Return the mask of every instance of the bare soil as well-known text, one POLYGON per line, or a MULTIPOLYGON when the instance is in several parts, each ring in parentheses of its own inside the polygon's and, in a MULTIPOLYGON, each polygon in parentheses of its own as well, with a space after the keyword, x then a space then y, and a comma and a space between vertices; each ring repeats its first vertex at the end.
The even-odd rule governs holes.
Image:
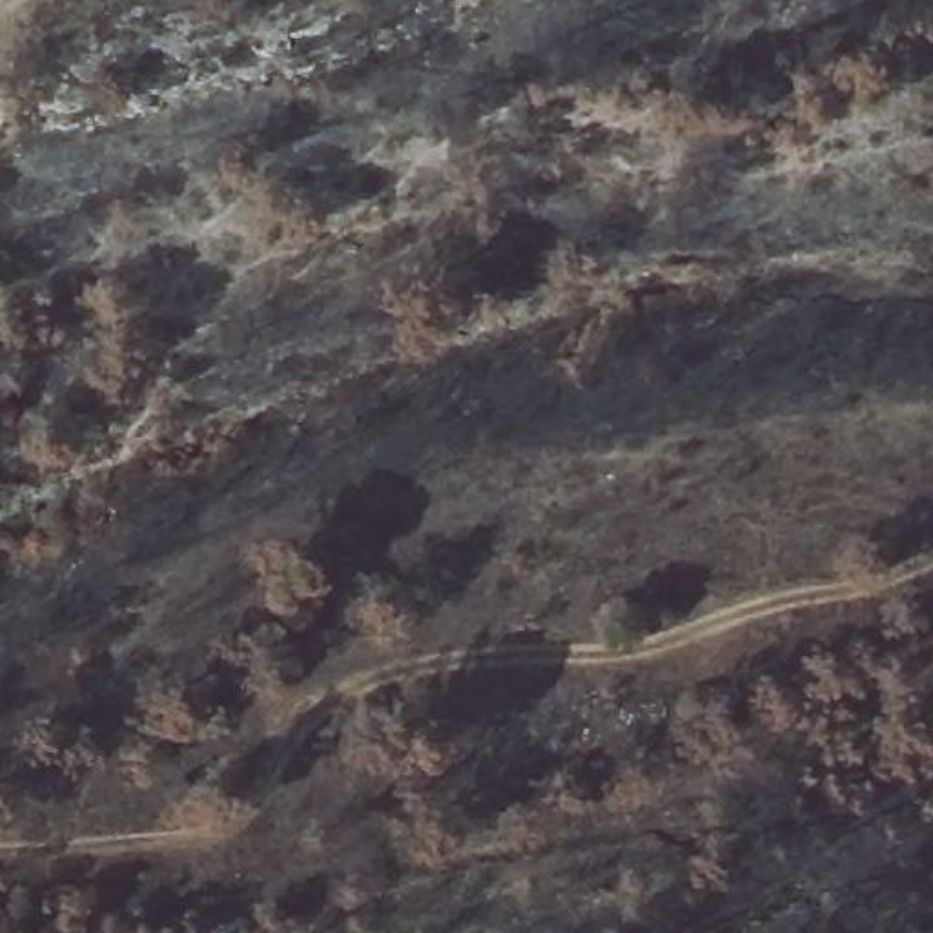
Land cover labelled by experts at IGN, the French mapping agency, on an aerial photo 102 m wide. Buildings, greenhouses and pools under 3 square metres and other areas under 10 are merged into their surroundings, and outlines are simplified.
POLYGON ((528 802, 547 795, 547 780, 554 776, 554 751, 605 751, 609 743, 645 729, 649 711, 667 696, 667 685, 649 678, 638 663, 569 667, 569 649, 579 641, 609 641, 634 649, 645 634, 674 627, 707 609, 722 609, 747 594, 765 594, 795 583, 824 583, 846 569, 882 572, 915 554, 933 554, 933 0, 0 0, 0 288, 7 295, 7 321, 15 332, 22 332, 26 350, 26 375, 18 390, 0 394, 0 485, 40 485, 36 467, 22 459, 22 437, 29 437, 33 430, 44 430, 51 445, 66 445, 80 456, 69 470, 73 488, 58 499, 58 518, 66 525, 62 554, 51 561, 7 561, 7 554, 0 554, 0 714, 7 714, 11 700, 26 682, 40 682, 55 696, 98 685, 109 671, 120 671, 124 663, 146 652, 149 638, 160 631, 171 609, 230 609, 230 565, 241 528, 259 514, 284 510, 302 510, 313 525, 313 539, 324 550, 332 550, 335 543, 357 543, 372 554, 394 558, 401 572, 401 601, 394 605, 394 612, 405 616, 405 627, 415 638, 419 652, 467 652, 456 674, 430 674, 419 685, 379 685, 375 692, 368 692, 368 707, 390 711, 390 703, 405 703, 401 729, 412 740, 426 740, 426 747, 437 751, 437 773, 419 791, 426 805, 441 813, 437 827, 456 838, 445 846, 437 860, 412 864, 394 853, 394 842, 383 831, 386 813, 379 813, 379 787, 386 780, 379 780, 372 791, 339 787, 332 762, 335 754, 321 740, 321 725, 328 725, 339 707, 335 696, 324 696, 313 682, 299 689, 281 685, 277 692, 255 700, 262 707, 270 740, 251 743, 248 754, 230 769, 233 787, 222 809, 179 813, 175 805, 168 805, 168 798, 153 798, 146 787, 120 787, 109 780, 84 776, 26 780, 18 809, 0 798, 0 856, 18 856, 22 864, 33 864, 40 875, 51 875, 55 864, 69 856, 135 856, 179 849, 190 864, 190 875, 200 886, 262 886, 255 911, 248 918, 222 922, 215 933, 904 933, 904 897, 875 875, 827 871, 809 864, 776 871, 736 893, 696 889, 689 882, 689 871, 700 846, 692 838, 678 838, 674 831, 667 831, 667 816, 645 805, 609 809, 605 798, 583 802, 583 827, 572 827, 558 838, 525 849, 510 849, 488 838, 499 813, 507 813, 510 805, 525 809, 528 802), (415 335, 401 328, 383 306, 383 277, 397 270, 401 255, 423 248, 445 266, 445 295, 448 302, 456 302, 463 317, 456 324, 415 335), (106 397, 91 390, 66 361, 84 339, 98 335, 98 317, 91 306, 84 306, 84 292, 95 284, 113 288, 117 317, 124 321, 124 383, 113 405, 106 405, 106 397))

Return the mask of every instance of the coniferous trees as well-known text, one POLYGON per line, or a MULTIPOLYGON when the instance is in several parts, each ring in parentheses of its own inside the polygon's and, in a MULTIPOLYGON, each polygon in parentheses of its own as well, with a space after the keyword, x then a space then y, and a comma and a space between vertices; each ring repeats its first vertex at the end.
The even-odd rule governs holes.
POLYGON ((776 871, 809 864, 827 871, 875 875, 904 897, 904 933, 933 933, 933 572, 907 587, 882 590, 875 598, 754 620, 718 638, 696 641, 682 652, 638 663, 649 678, 667 685, 667 696, 649 711, 645 729, 609 743, 605 751, 554 751, 554 776, 547 780, 547 795, 528 802, 525 809, 510 805, 507 813, 499 813, 488 838, 510 849, 525 849, 558 838, 572 827, 583 827, 583 802, 605 798, 609 809, 645 805, 667 816, 667 831, 674 831, 678 838, 692 838, 700 846, 689 871, 689 882, 696 889, 736 893, 776 871))
POLYGON ((33 864, 22 864, 18 856, 0 856, 0 933, 215 933, 222 922, 248 918, 255 911, 262 886, 200 886, 190 875, 190 864, 179 849, 135 856, 69 856, 55 864, 51 875, 40 875, 33 864))
POLYGON ((368 707, 368 692, 375 692, 379 685, 419 685, 430 674, 456 674, 467 652, 419 652, 415 638, 405 627, 405 616, 394 612, 394 605, 401 601, 401 572, 394 558, 372 554, 357 543, 335 543, 332 550, 324 550, 313 539, 313 525, 302 510, 284 510, 259 514, 241 528, 230 565, 230 609, 171 609, 160 631, 149 638, 146 652, 124 663, 120 671, 109 671, 98 685, 55 696, 40 682, 26 682, 11 700, 7 714, 0 714, 0 798, 18 809, 26 780, 84 776, 109 780, 120 787, 146 787, 153 798, 168 798, 168 805, 175 805, 179 813, 222 809, 233 787, 230 769, 248 754, 251 743, 270 740, 262 707, 255 700, 277 692, 281 685, 299 689, 313 682, 324 696, 335 696, 339 707, 328 725, 321 725, 321 740, 335 754, 332 762, 339 787, 372 791, 379 780, 386 780, 379 787, 379 813, 386 813, 383 831, 394 842, 394 853, 412 864, 437 860, 445 846, 456 838, 437 827, 441 813, 426 805, 419 791, 437 773, 437 751, 426 747, 426 740, 412 740, 401 729, 405 703, 390 703, 390 711, 368 707))
POLYGON ((124 383, 124 321, 117 317, 113 288, 95 284, 84 292, 84 306, 91 306, 98 317, 98 335, 84 339, 66 361, 91 390, 106 397, 106 405, 113 405, 124 383))
POLYGON ((383 306, 401 328, 415 335, 456 324, 463 317, 456 302, 448 302, 445 295, 445 266, 423 248, 401 255, 397 270, 383 277, 383 306))
POLYGON ((0 485, 0 554, 7 554, 7 561, 51 561, 62 554, 66 525, 58 518, 58 499, 73 488, 69 470, 80 456, 66 445, 51 445, 44 430, 33 430, 29 437, 22 437, 22 459, 36 467, 40 485, 0 485))
POLYGON ((18 390, 26 375, 26 350, 22 332, 15 332, 7 321, 7 295, 0 288, 0 394, 18 390))

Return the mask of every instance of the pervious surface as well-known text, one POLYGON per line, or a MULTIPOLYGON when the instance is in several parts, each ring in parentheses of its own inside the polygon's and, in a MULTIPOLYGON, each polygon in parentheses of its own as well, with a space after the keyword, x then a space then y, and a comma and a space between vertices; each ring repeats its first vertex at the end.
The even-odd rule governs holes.
POLYGON ((882 590, 907 587, 933 572, 933 554, 915 554, 882 572, 846 569, 824 583, 795 583, 765 594, 747 594, 722 609, 707 609, 674 627, 645 634, 634 649, 609 641, 579 641, 569 649, 569 667, 638 663, 682 652, 696 641, 718 638, 754 620, 875 598, 882 590))

